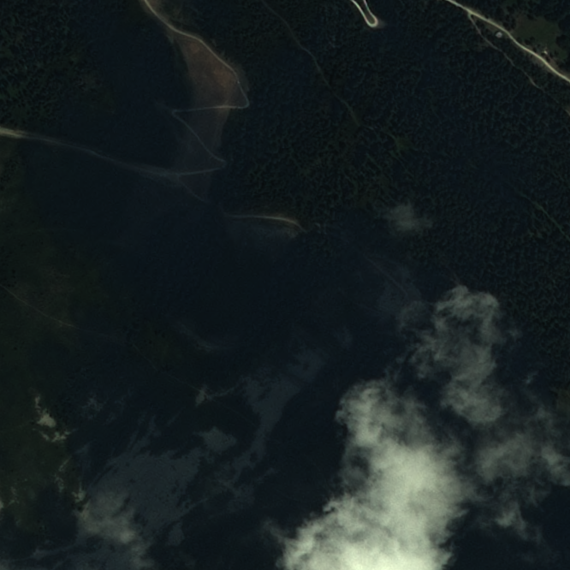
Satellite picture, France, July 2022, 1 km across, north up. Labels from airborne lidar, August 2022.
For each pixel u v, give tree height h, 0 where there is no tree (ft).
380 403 89
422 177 79
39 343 0
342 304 55
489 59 83
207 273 46
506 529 0
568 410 0
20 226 0
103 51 37
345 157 20
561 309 114
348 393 82
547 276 21
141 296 0
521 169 57
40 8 33
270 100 61
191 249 98
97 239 0
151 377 0
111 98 0
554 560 88
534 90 85
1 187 25
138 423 0
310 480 56
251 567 0
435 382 89
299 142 39
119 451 29
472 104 48
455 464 0
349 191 102
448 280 55
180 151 0
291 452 62
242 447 19
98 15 62
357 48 46
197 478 34
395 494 0
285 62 73
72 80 22
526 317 100
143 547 0
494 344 35
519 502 0
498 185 68
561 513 87
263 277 0
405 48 49
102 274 0
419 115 94
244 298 0
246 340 70
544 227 91
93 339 0
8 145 0
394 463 80
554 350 53
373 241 75
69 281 0
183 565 25
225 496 0
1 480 0
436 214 86
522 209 112
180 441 0
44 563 0
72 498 0
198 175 0
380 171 108
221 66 0
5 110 61
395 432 96
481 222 102
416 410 89
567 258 98
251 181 26
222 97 0
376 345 101
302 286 92
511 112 104
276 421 0
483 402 0
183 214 54
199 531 0
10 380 0
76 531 0
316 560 0
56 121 30
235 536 0
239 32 27
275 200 26
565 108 35
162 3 0
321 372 49
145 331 0
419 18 55
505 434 0
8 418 0
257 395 0
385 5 52
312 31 29
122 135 23
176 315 26
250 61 30
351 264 85
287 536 0
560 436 0
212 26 39
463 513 79
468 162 103
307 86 83
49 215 25
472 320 88
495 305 104
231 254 0
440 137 101
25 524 0
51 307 0
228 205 62
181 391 0
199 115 0
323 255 58
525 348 84
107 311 0
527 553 41
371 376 77
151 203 0
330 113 27
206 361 0
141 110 47
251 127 23
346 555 0
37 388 0
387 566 0
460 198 72
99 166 0
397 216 78
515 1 0
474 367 80
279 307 74
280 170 45
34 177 0
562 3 57
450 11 53
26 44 42
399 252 33
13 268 0
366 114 20
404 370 103
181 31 0
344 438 0
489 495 69
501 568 0
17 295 0
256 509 0
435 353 110
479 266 71
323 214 68
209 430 0
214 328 0
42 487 0
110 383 22
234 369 58
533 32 0
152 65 48
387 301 0
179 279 85
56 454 0
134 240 0
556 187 83
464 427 52
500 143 30
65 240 0
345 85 23
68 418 29
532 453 0
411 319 22
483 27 52
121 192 0
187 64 0
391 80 39
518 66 41
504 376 68
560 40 39
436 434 89
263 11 25
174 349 0
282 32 25
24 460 0
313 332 19
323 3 26
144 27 49
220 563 0
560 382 75
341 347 23
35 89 42
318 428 79
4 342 0
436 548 62
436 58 89
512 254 93
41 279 0
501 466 0
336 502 0
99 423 0
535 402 75
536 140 62
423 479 0
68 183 0
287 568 0
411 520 0
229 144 36
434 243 76
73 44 46
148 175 0
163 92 42
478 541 0
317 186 58
